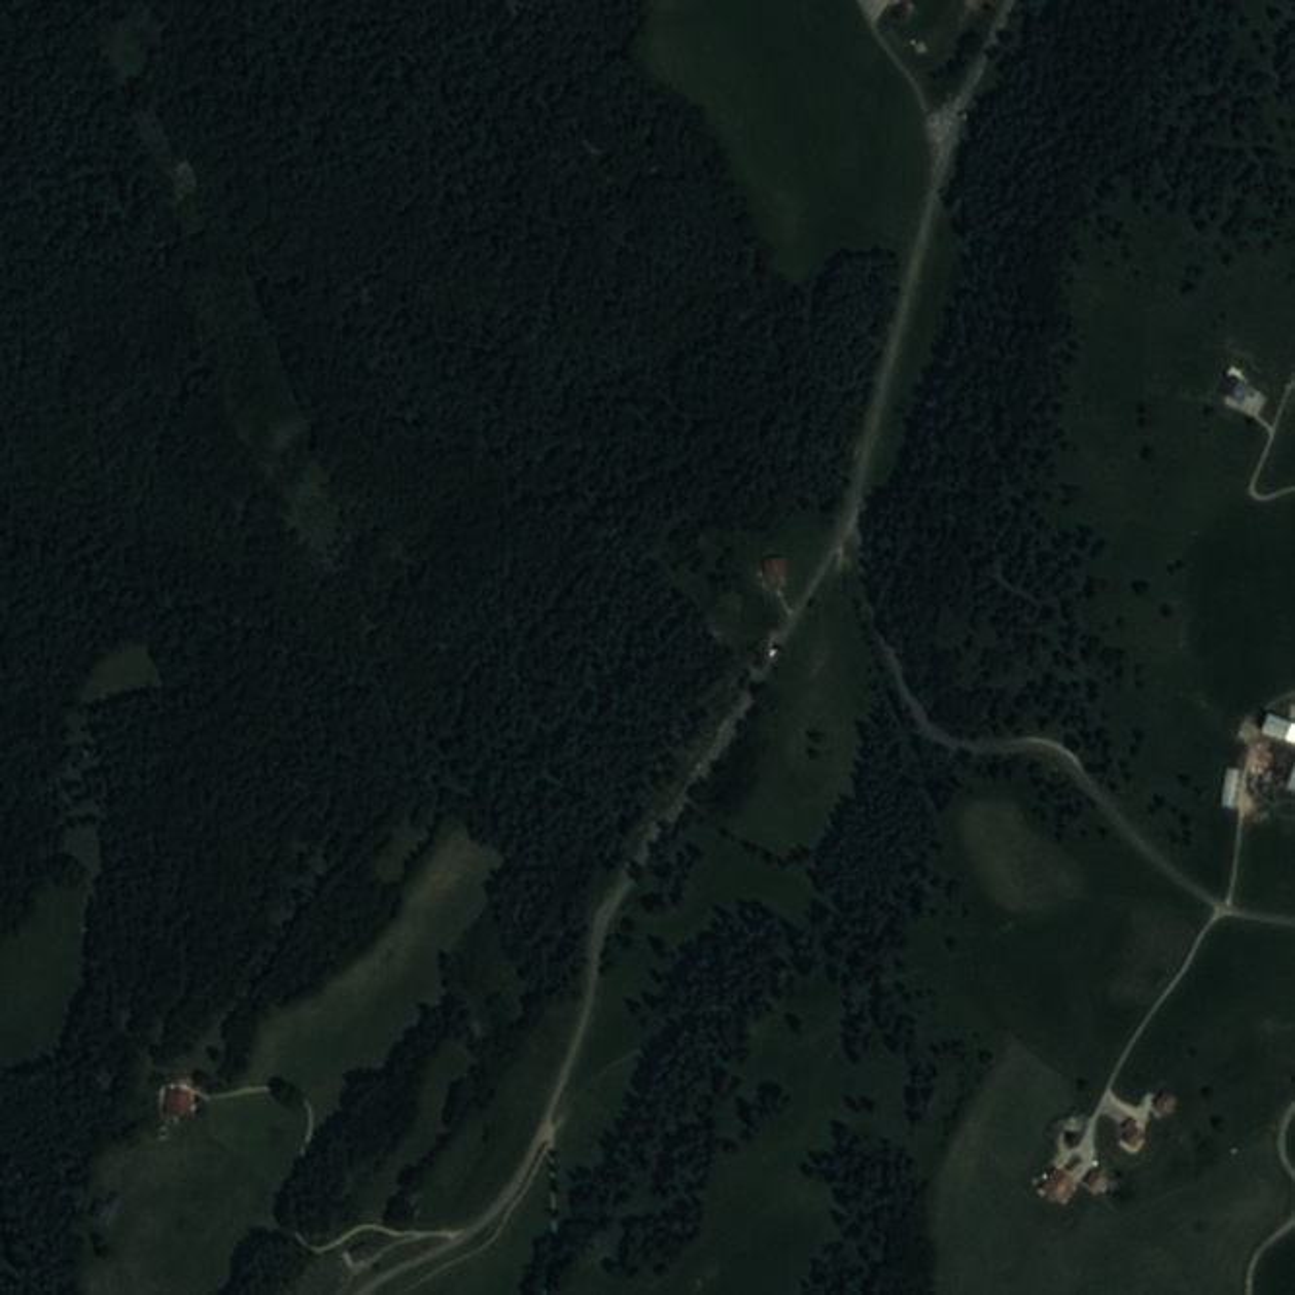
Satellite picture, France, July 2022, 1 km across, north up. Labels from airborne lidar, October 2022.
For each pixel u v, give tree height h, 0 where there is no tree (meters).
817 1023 0
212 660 20
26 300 22
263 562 15
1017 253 23
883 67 0
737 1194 0
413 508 21
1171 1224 0
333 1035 0
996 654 6
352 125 20
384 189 22
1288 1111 0
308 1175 17
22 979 0
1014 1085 0
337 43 17
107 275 16
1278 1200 0
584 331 20
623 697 31
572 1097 0
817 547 0
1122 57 20
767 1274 0
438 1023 11
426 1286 0
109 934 18
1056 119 21
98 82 20
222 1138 0
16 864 16
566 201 15
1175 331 0
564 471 21
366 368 22
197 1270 0
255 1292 20
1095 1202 0
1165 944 0
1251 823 0
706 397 16
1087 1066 0
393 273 23
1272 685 0
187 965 10
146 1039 10
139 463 14
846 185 0
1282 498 0
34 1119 12
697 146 18
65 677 13
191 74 14
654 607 17
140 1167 0
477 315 22
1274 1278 0
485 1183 0
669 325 15
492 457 22
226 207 9
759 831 0
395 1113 14
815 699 0
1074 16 22
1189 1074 0
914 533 22
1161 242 0
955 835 0
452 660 15
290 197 19
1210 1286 0
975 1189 0
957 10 0
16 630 18
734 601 0
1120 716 0
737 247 21
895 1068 0
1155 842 0
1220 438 0
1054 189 21
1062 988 0
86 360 18
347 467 12
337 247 20
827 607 0
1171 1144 0
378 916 12
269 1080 0
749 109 0
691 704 17
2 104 24
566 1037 0
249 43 22
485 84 7
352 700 20
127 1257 0
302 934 19
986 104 17
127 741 16
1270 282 0
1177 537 0
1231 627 0
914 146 0
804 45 0
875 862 24
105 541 19
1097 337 0
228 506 13
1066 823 9
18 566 14
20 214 22
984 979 0
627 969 0
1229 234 15
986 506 23
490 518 19
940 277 0
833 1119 0
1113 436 0
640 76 21
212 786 13
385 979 0
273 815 14
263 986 16
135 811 14
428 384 20
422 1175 16
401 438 20
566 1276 23
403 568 11
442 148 13
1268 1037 0
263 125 16
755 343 13
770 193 0
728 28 0
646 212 15
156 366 22
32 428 13
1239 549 0
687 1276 0
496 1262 0
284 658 19
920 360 0
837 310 24
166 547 17
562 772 30
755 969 30
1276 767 0
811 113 0
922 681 12
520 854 18
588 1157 0
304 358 21
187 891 12
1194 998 0
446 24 17
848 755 0
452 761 8
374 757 13
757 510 20
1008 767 12
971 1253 0
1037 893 0
